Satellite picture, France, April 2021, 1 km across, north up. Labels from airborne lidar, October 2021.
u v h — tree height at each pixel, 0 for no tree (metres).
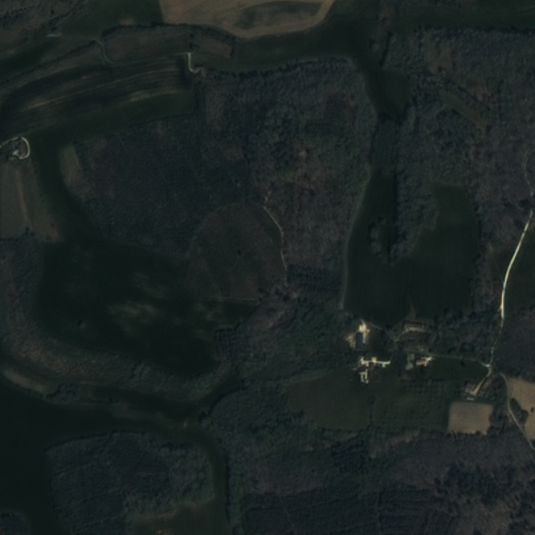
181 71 0
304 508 12
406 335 0
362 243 0
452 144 14
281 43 0
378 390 0
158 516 7
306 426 21
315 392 0
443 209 0
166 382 6
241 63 0
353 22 0
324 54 0
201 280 6
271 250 6
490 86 18
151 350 0
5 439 0
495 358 14
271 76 14
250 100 6
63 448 9
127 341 0
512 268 0
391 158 35
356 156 25
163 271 0
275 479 10
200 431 0
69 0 15
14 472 0
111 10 0
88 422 0
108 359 8
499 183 15
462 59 18
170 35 0
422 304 0
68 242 0
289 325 7
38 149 0
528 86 16
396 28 0
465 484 19
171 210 6
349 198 20
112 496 9
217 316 0
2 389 0
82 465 10
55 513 7
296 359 6
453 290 0
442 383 12
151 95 0
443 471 14
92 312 0
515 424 0
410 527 8
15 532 14
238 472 25
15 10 13
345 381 0
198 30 17
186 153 7
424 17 0
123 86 0
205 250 7
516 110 18
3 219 0
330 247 15
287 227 7
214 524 0
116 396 0
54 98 0
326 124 7
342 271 11
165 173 9
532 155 13
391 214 0
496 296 11
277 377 12
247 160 15
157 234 6
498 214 14
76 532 7
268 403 9
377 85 0
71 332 0
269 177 17
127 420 0
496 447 18
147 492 8
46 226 0
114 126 0
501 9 0
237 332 15
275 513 10
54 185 0
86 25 0
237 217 6
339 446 9
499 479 20
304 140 25
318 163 18
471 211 0
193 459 24
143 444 7
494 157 22
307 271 16
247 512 11
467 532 17
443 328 18
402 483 8
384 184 0
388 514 15
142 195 6
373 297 0
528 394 0
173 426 0
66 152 0
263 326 16
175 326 0
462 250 0
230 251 6
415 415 11
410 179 23
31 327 8
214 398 0
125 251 0
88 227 0
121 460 9
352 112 8
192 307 0
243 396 13
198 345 0
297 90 15
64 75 0
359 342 0
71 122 0
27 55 0
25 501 0
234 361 13
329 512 12
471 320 12
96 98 0
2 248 7
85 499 8
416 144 20
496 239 21
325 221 20
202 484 19
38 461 0
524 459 16
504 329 10
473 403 0
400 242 18
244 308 0
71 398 18
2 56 0
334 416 0
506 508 11
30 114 0
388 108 0
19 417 0
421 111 14
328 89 17
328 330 11
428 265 0
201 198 8
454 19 0
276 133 23
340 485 11
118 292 0
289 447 14
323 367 10
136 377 16
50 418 0
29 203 0
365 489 15
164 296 0
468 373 0
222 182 8
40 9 14
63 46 0
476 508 13
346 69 14
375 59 0
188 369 0
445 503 13
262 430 15
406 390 7
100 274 0
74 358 7
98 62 0
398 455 12
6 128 0
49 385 0
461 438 13
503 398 10
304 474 10
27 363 7
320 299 12
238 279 6
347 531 8
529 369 14
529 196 12
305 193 16
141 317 0
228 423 13
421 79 18
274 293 7
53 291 0
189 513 0
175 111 0
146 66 0
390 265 9
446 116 16
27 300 6
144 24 0
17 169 0
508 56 15
